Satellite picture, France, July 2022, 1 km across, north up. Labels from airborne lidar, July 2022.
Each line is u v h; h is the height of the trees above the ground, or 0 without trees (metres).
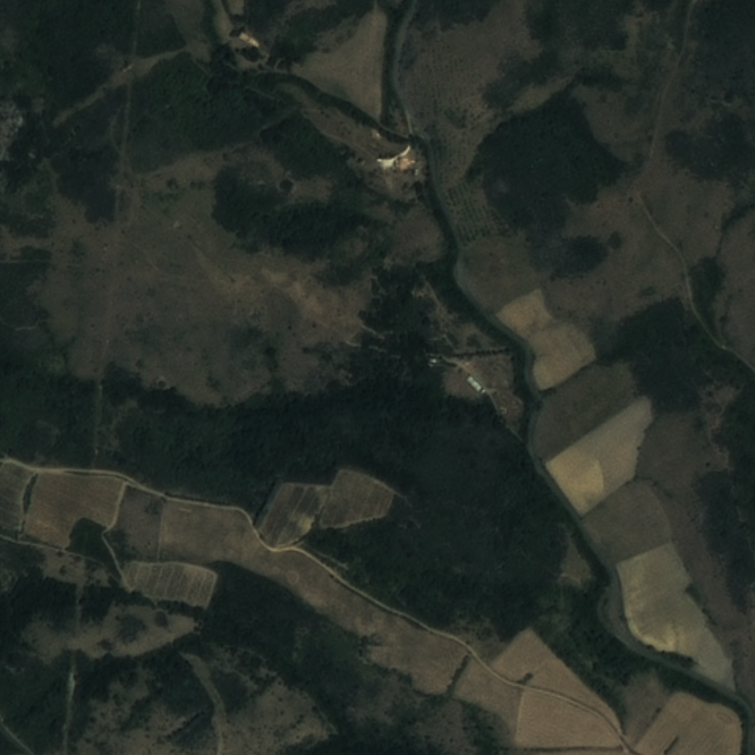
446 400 6
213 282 0
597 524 0
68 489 0
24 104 10
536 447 0
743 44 0
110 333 0
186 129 7
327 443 6
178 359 0
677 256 0
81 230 0
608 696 8
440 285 6
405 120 6
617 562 0
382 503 0
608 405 0
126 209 0
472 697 0
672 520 0
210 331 0
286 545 0
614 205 0
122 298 0
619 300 0
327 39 0
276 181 0
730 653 0
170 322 0
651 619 0
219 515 0
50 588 17
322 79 0
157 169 0
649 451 0
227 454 10
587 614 6
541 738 0
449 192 7
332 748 14
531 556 6
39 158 9
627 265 0
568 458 0
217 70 12
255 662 6
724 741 0
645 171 0
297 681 6
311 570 0
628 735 0
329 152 7
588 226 0
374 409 11
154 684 8
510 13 0
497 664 0
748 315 0
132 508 0
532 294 0
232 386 0
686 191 0
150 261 0
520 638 0
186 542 0
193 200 0
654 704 0
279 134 7
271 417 11
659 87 0
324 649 6
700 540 0
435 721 0
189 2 0
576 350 0
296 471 9
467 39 0
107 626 0
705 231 0
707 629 0
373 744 7
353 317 0
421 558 7
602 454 0
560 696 0
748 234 0
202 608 8
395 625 0
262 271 0
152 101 5
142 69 0
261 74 7
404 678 7
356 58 0
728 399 0
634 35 0
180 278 0
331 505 0
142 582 0
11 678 5
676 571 0
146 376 0
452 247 8
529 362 0
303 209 6
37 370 6
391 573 6
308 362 0
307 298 0
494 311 0
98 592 6
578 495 0
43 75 7
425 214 0
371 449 7
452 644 0
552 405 0
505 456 7
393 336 7
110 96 6
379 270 8
